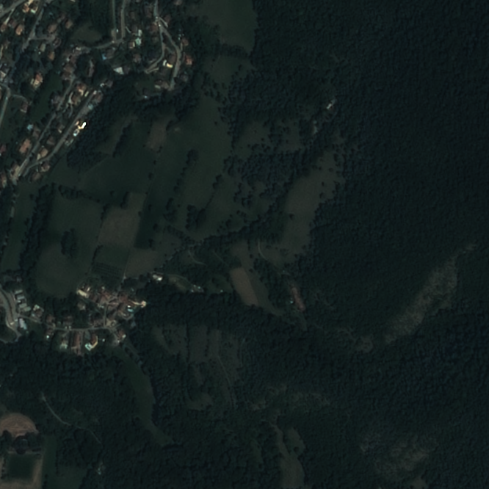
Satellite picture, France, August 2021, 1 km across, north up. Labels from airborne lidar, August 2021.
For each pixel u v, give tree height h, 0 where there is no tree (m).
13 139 8
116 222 0
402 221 14
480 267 12
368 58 12
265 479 26
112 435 18
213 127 0
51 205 9
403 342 21
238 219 0
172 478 31
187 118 16
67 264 0
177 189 11
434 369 15
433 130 19
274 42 16
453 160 18
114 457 15
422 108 21
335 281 10
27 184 0
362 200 9
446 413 18
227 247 9
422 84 20
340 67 6
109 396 14
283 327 30
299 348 17
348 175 13
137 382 0
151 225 0
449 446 9
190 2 9
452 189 19
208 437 16
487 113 17
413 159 18
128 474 17
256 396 7
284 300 10
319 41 11
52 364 23
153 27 0
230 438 21
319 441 15
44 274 0
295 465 0
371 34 13
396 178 16
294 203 0
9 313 0
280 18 9
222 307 23
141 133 0
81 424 12
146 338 10
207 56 6
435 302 6
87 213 0
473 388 17
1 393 11
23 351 23
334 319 9
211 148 0
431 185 18
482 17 22
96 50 12
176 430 25
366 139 7
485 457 14
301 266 12
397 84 16
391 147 17
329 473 15
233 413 7
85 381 15
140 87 0
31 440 18
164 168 0
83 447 19
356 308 12
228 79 0
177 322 15
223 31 0
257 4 12
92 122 13
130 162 0
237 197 9
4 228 21
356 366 24
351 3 15
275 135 10
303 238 0
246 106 10
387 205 11
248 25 0
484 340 20
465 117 16
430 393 17
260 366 6
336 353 19
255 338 11
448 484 17
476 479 14
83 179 0
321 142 17
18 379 10
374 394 16
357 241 13
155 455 27
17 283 13
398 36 16
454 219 13
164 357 16
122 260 0
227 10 0
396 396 11
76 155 12
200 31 6
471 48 21
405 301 9
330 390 10
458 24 22
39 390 10
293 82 17
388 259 14
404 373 11
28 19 10
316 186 0
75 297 12
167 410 26
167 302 21
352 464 17
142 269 0
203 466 6
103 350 9
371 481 10
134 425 26
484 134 16
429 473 11
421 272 8
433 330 24
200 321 13
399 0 15
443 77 20
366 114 13
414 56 20
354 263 14
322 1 12
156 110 20
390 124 20
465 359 26
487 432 13
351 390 12
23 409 15
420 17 20
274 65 19
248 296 0
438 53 20
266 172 9
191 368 11
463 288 8
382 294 14
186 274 13
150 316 18
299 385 9
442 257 7
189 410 15
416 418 13
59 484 0
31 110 17
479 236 8
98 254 7
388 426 7
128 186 0
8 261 0
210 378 12
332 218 11
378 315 12
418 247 14
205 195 0
